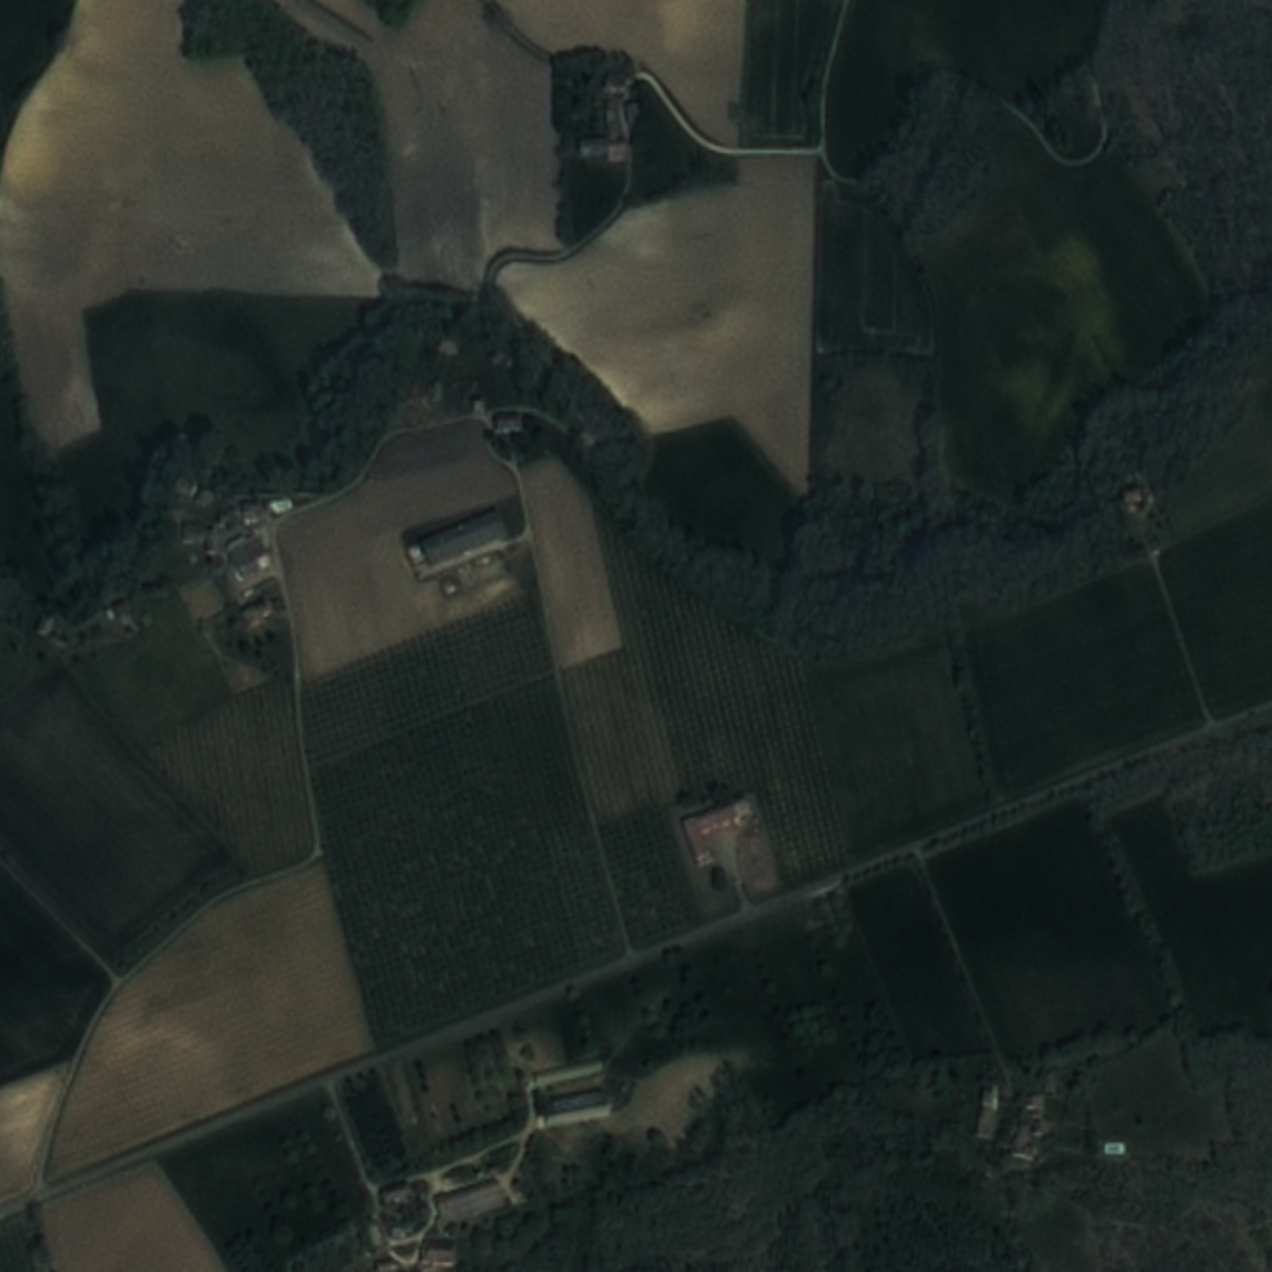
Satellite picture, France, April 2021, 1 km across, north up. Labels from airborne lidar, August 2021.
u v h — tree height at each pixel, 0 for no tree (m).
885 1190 10
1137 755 0
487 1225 6
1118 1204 11
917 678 0
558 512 0
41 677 0
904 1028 0
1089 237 0
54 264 0
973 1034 0
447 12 0
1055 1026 0
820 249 0
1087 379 0
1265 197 16
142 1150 0
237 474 9
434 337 10
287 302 0
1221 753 15
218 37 16
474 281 0
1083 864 0
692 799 9
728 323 0
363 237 19
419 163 0
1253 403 0
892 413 0
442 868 6
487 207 0
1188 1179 15
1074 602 0
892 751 0
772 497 0
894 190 20
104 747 0
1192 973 0
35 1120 0
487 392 0
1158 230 0
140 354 0
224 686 0
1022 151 0
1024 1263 12
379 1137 7
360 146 20
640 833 5
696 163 0
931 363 7
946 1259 7
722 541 0
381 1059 0
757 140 0
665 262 0
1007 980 0
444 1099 0
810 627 23
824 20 0
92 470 0
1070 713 0
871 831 0
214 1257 0
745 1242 11
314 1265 12
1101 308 0
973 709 6
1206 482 0
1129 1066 0
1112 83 18
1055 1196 21
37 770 0
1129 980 0
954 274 0
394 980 6
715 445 0
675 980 0
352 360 10
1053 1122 7
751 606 18
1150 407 17
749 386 0
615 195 0
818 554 23
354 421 20
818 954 6
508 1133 7
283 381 0
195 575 0
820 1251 14
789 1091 0
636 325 0
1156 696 0
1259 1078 18
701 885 0
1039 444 0
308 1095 0
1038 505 11
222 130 0
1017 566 19
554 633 0
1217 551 0
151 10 0
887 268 0
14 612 11
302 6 0
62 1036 0
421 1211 9
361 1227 8
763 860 0
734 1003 0
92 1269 0
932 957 0
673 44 0
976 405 0
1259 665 0
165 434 0
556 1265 17
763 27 0
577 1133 0
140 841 0
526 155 0
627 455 21
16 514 0
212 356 0
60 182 0
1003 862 0
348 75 29
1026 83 0
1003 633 0
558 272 0
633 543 9
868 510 11
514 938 6
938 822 0
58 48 17
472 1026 0
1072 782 0
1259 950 0
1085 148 0
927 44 0
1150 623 0
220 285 0
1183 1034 13
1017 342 0
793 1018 9
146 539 11
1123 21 17
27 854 0
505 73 0
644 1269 9
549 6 0
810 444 0
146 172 0
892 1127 13
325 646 0
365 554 0
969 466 0
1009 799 0
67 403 0
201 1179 0
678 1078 0
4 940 0
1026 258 0
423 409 0
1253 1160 15
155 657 0
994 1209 0
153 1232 0
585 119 7
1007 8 0
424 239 0
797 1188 17
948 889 0
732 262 0
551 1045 0
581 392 16
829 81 0
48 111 0
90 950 0
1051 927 0
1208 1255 18
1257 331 19
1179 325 0
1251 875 0
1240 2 21
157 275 0
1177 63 11
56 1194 0
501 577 0
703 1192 13
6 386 14
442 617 0
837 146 0
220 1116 0
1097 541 20
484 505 0
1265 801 7
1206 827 8
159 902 0
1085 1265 0
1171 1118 0
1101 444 15
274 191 0
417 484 0
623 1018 0
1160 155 16
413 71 0
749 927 0
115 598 13
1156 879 0
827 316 0
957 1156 11
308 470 17
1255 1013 0
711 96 0
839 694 0
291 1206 11
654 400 0
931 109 22
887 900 0
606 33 0
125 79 0
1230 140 12
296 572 0
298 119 20
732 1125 15
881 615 22
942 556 15
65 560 17
